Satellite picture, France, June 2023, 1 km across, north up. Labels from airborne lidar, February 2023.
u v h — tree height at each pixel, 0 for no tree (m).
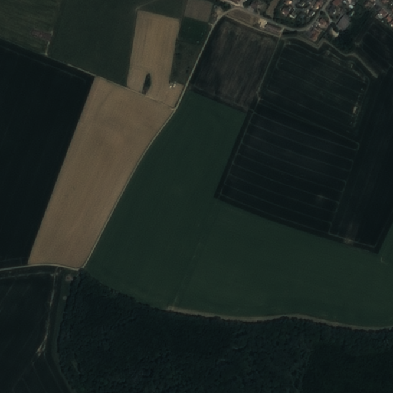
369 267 0
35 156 0
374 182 0
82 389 23
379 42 0
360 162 0
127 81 0
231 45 0
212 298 0
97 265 0
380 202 0
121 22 0
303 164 0
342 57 0
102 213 0
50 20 0
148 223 0
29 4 0
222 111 0
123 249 0
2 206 0
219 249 0
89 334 17
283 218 0
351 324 0
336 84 0
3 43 0
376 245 0
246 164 0
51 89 0
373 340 24
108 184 0
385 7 0
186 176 0
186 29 0
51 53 0
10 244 0
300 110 0
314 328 22
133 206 0
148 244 0
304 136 0
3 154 0
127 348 22
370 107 0
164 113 0
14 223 0
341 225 0
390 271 0
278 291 0
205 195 0
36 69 0
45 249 0
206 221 0
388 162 0
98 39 0
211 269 0
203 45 0
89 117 0
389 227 0
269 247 0
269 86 0
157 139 0
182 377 30
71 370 25
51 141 0
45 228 0
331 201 0
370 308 0
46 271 0
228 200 0
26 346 0
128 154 0
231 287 0
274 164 0
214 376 29
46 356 0
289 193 0
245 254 0
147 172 0
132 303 21
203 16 0
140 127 0
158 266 0
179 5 0
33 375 0
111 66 0
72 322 14
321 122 0
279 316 0
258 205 0
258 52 0
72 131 0
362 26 7
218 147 0
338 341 25
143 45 0
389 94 0
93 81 0
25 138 0
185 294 0
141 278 0
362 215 0
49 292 0
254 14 0
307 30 0
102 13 0
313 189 0
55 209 0
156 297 0
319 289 0
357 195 0
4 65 0
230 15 0
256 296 0
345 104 0
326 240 0
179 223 0
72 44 0
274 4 0
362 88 0
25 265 0
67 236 0
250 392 29
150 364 26
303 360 25
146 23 0
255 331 22
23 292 0
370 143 0
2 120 0
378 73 0
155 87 0
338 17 6
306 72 0
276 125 0
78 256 0
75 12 0
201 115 0
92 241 0
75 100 0
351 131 0
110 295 22
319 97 0
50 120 0
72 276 0
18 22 0
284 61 0
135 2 0
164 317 22
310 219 0
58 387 0
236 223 0
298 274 0
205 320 18
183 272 0
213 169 0
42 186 0
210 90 0
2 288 0
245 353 26
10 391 0
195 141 0
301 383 22
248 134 0
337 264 0
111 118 0
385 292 0
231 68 0
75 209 0
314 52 0
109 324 15
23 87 0
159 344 23
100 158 0
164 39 0
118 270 0
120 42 0
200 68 0
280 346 25
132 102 0
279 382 23
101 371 26
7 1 0
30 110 0
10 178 0
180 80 0
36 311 0
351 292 0
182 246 0
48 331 0
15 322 0
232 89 0
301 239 0
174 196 0
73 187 0
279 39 0
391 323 0
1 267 0
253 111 0
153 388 34
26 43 0
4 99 0
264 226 0
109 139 0
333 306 0
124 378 27
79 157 0
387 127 0
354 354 22
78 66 0
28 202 0
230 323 18
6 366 0
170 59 0
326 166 0
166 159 0
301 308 0
